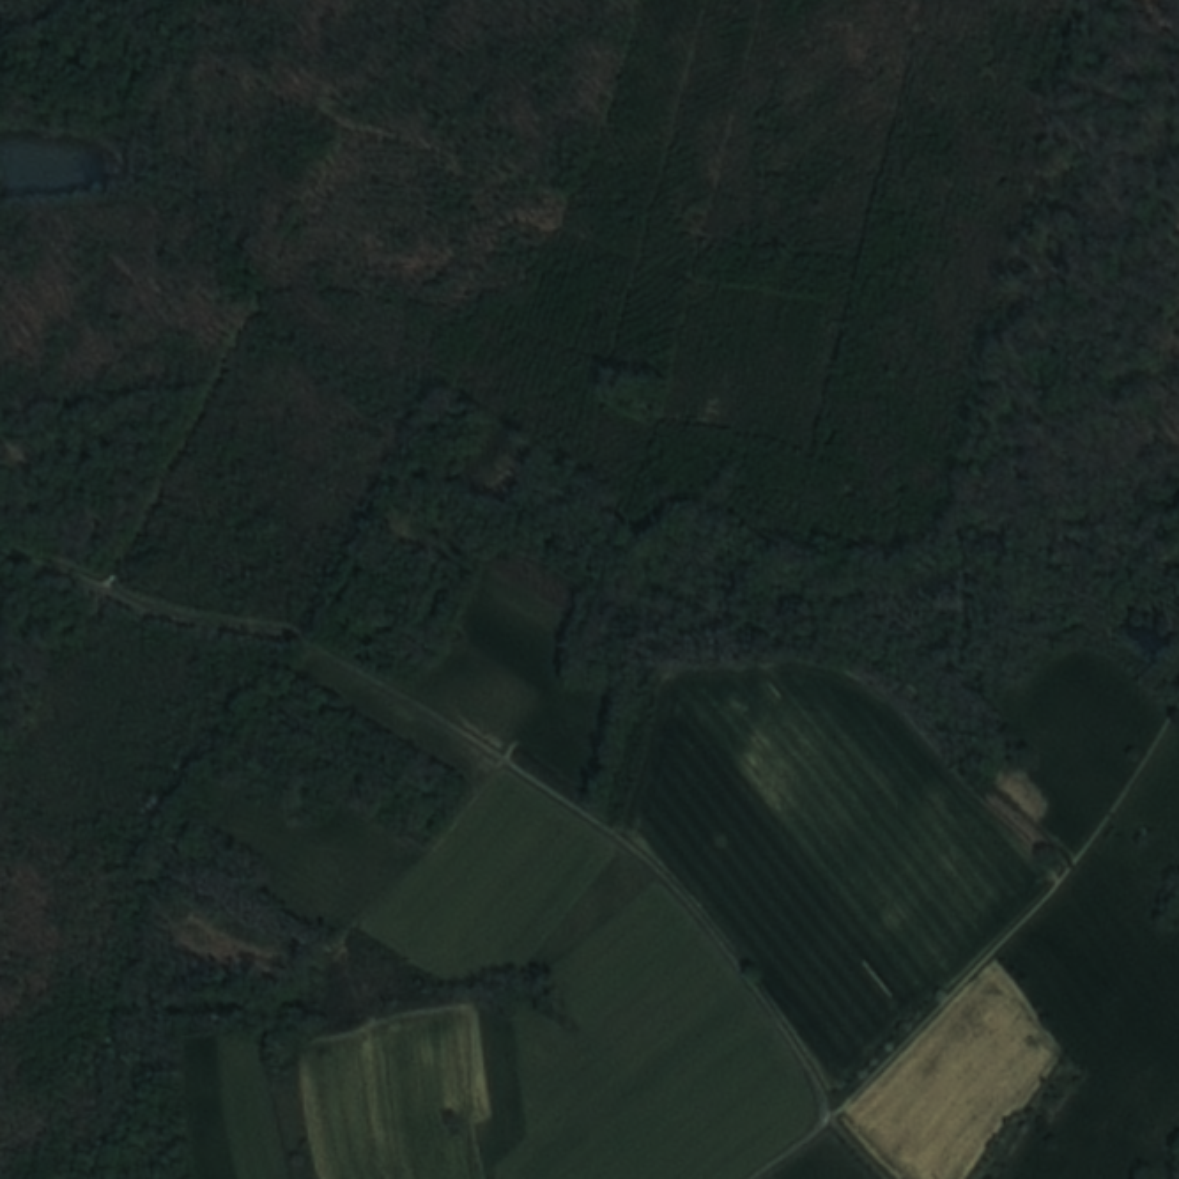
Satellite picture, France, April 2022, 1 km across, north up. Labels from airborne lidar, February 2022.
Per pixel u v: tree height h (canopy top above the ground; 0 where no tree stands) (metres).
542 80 21
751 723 0
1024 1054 0
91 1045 15
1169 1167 0
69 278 25
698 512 28
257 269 18
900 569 33
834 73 6
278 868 0
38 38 24
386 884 0
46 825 14
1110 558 24
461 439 26
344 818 0
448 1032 0
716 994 0
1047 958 0
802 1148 0
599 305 7
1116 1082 0
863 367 13
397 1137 0
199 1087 0
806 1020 0
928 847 0
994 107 6
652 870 0
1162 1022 0
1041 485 30
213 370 15
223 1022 18
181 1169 20
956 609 30
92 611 16
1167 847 0
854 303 9
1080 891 0
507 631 0
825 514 9
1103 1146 0
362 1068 0
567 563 27
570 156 19
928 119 9
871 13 6
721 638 28
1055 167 24
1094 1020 0
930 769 0
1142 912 0
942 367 12
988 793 0
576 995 0
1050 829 0
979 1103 0
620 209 11
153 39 29
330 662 0
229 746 21
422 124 22
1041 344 32
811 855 0
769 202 10
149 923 24
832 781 0
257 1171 0
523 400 6
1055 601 27
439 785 26
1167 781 0
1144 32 30
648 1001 0
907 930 0
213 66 18
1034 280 33
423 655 25
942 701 27
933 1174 0
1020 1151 0
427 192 11
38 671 32
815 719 0
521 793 0
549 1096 0
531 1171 0
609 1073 0
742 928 0
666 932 0
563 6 24
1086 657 0
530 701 0
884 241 10
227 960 0
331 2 21
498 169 18
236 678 16
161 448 19
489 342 8
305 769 27
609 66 20
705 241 6
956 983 0
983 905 0
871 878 0
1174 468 27
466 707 0
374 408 10
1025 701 0
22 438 28
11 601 29
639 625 27
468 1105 0
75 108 25
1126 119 32
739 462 16
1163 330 33
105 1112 21
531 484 28
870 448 10
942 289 12
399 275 11
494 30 21
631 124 6
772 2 5
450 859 0
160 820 19
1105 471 31
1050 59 9
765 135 8
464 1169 0
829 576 28
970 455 31
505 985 18
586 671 27
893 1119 0
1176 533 17
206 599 13
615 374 28
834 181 7
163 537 12
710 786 0
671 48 7
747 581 18
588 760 0
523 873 0
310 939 27
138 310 25
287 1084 0
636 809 0
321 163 16
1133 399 32
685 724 0
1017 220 7
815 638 14
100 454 28
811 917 0
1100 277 34
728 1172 0
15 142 0
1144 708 0
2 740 27
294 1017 17
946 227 9
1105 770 0
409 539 0
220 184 15
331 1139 0
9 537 22
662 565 25
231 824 0
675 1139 0
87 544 27
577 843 0
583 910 0
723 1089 0
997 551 30
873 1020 0
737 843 0
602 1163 0
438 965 0
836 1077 0
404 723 0
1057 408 33
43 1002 12
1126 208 31
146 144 21
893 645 24
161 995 22
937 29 6
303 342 20
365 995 0
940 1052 0
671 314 6
